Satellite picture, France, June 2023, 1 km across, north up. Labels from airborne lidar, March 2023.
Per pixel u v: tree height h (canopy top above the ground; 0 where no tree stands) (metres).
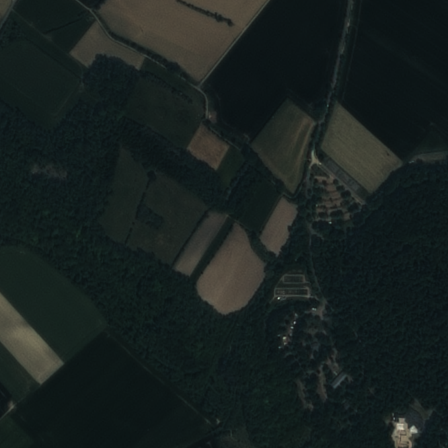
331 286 20
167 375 12
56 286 0
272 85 0
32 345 0
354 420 16
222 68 0
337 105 0
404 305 26
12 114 25
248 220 0
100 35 0
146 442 0
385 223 26
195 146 0
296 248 23
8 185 19
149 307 23
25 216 17
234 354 9
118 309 16
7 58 0
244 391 6
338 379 0
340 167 0
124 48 0
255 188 14
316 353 14
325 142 0
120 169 0
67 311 0
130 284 16
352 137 0
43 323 0
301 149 0
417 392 23
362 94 0
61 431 0
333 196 0
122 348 0
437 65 0
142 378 0
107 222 0
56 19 0
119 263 12
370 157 0
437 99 0
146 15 0
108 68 24
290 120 0
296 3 0
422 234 25
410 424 0
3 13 0
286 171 0
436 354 19
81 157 28
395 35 0
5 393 0
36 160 15
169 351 19
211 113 0
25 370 0
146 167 17
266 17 0
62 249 24
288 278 0
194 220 0
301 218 21
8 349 0
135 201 0
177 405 0
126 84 27
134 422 0
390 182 16
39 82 0
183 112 0
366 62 0
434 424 20
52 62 0
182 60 0
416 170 18
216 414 10
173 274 15
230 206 20
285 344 0
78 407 0
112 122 19
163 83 9
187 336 19
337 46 0
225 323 14
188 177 24
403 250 29
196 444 0
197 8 5
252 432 15
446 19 0
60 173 26
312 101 0
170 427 0
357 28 0
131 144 14
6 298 0
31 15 0
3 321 0
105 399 0
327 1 0
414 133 0
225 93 0
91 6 0
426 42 0
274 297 0
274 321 15
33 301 0
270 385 18
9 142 21
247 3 0
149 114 0
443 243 27
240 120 0
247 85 0
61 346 0
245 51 0
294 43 0
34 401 0
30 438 0
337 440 21
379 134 0
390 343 22
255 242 9
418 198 24
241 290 0
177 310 13
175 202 0
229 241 0
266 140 0
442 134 0
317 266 15
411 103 0
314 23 0
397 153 0
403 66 0
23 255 0
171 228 0
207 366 15
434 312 20
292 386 19
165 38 0
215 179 24
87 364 0
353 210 12
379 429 23
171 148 9
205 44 0
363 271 20
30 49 0
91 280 18
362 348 21
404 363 25
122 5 0
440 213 24
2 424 0
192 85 0
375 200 16
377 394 22
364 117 0
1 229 21
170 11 0
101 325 0
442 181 25
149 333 19
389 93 0
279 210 0
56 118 0
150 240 0
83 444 0
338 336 23
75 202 16
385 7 0
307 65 0
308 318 11
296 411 15
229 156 0
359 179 0
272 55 0
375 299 22
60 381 0
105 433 0
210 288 0
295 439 0
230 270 0
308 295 0
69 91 0
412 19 0
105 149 15
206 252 0
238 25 0
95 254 20
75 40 0
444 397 26
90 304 0
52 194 19
